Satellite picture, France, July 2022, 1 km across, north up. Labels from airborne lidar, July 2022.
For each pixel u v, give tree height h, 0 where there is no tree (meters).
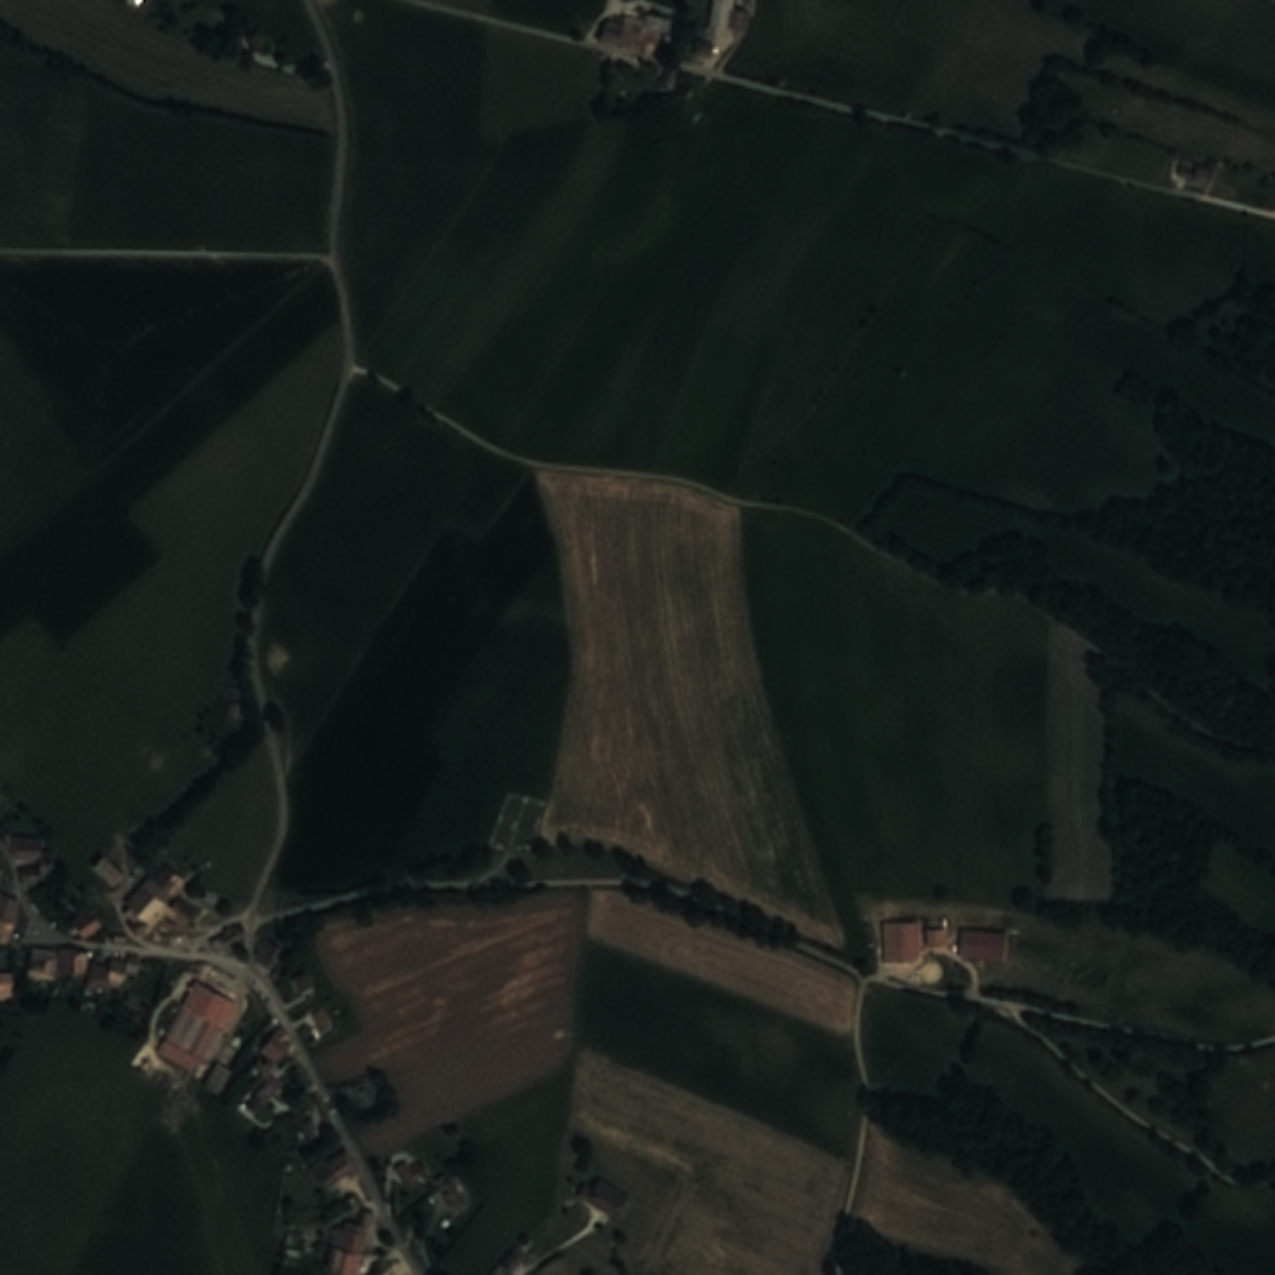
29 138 0
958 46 0
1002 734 0
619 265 0
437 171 0
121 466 0
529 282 0
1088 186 0
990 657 0
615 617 0
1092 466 0
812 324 0
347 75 0
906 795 0
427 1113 0
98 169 0
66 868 16
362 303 0
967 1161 19
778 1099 0
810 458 0
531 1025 0
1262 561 18
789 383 0
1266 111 0
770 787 0
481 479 0
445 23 0
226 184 0
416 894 17
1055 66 11
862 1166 0
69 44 0
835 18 0
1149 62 13
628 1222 0
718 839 0
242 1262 0
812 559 0
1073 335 0
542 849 15
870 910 0
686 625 0
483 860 17
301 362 0
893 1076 0
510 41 0
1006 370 0
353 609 0
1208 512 13
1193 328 12
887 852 0
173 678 0
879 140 0
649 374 0
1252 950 8
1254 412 0
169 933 0
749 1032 0
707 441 0
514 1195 0
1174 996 0
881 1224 0
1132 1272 21
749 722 0
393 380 0
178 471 0
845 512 0
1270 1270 0
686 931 0
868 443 0
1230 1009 0
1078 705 0
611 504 0
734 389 0
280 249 0
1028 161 0
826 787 0
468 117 0
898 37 0
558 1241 0
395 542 0
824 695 0
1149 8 0
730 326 0
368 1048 0
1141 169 0
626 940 0
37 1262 0
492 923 0
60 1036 0
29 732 0
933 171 0
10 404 0
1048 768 0
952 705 0
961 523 0
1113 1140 0
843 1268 16
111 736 0
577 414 0
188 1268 0
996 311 0
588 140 0
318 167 0
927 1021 0
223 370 0
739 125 0
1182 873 9
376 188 0
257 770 0
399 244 0
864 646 0
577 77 0
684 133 0
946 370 0
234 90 0
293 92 0
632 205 0
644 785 0
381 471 0
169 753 0
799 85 0
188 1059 0
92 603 0
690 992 0
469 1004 0
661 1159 0
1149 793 9
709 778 0
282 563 0
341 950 0
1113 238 0
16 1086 0
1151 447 0
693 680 0
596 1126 0
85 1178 0
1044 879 14
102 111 0
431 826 0
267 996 0
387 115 0
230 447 0
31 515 0
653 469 0
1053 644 0
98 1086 0
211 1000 0
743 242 0
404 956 0
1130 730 0
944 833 0
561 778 0
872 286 0
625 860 17
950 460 0
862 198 0
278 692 0
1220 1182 9
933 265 0
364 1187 0
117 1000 6
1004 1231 0
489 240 0
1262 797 0
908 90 0
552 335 0
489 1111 0
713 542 0
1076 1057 9
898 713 0
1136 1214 0
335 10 0
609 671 0
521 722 0
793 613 0
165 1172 0
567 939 0
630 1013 0
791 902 0
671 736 0
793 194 0
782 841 0
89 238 0
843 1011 0
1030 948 0
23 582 0
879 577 0
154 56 0
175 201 0
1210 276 0
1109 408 0
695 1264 0
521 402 0
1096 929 0
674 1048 0
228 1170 0
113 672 0
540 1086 0
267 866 0
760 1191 0
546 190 0
